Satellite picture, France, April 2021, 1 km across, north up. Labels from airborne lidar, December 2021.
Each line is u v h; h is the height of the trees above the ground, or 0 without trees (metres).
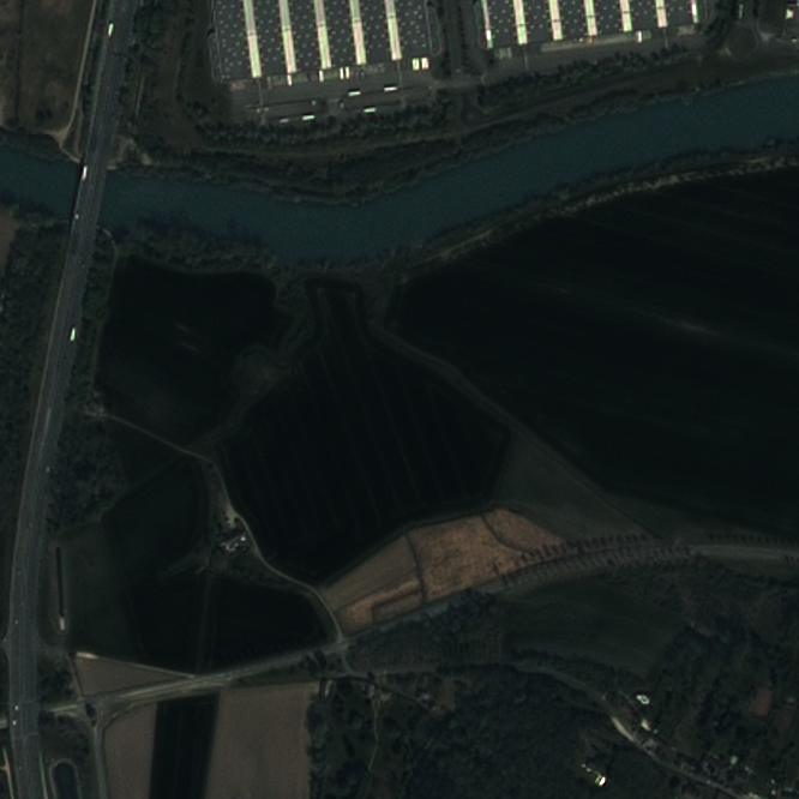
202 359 0
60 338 0
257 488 0
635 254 0
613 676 15
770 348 0
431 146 11
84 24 0
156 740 0
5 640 0
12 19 0
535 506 0
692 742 0
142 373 0
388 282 0
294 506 0
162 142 11
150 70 16
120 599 0
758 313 0
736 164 0
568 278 0
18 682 0
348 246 0
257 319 0
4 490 20
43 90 0
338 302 0
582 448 0
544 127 12
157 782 0
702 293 0
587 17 0
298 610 0
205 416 0
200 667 0
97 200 0
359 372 0
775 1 0
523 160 0
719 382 0
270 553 0
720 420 0
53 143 13
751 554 0
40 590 0
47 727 13
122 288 0
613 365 0
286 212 0
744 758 13
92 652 0
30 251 16
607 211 0
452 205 0
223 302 0
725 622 7
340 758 0
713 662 29
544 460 0
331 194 16
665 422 0
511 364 0
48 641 0
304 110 0
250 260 6
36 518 0
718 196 0
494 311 0
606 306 0
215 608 0
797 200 0
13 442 19
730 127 0
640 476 0
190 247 15
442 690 16
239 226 0
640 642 0
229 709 0
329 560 0
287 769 0
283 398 0
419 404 0
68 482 20
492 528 0
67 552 0
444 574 0
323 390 0
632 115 0
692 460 0
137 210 0
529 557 0
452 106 11
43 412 0
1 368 9
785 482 0
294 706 0
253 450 0
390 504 0
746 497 0
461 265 0
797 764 0
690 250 0
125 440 0
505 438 0
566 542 0
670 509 0
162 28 8
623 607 0
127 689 0
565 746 22
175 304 0
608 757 7
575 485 0
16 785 0
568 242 0
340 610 0
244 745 0
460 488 0
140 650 0
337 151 0
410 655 24
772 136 0
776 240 0
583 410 0
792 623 33
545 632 0
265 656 19
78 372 11
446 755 15
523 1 0
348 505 0
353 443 0
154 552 0
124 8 0
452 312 0
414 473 0
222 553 21
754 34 0
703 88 11
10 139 13
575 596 0
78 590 0
